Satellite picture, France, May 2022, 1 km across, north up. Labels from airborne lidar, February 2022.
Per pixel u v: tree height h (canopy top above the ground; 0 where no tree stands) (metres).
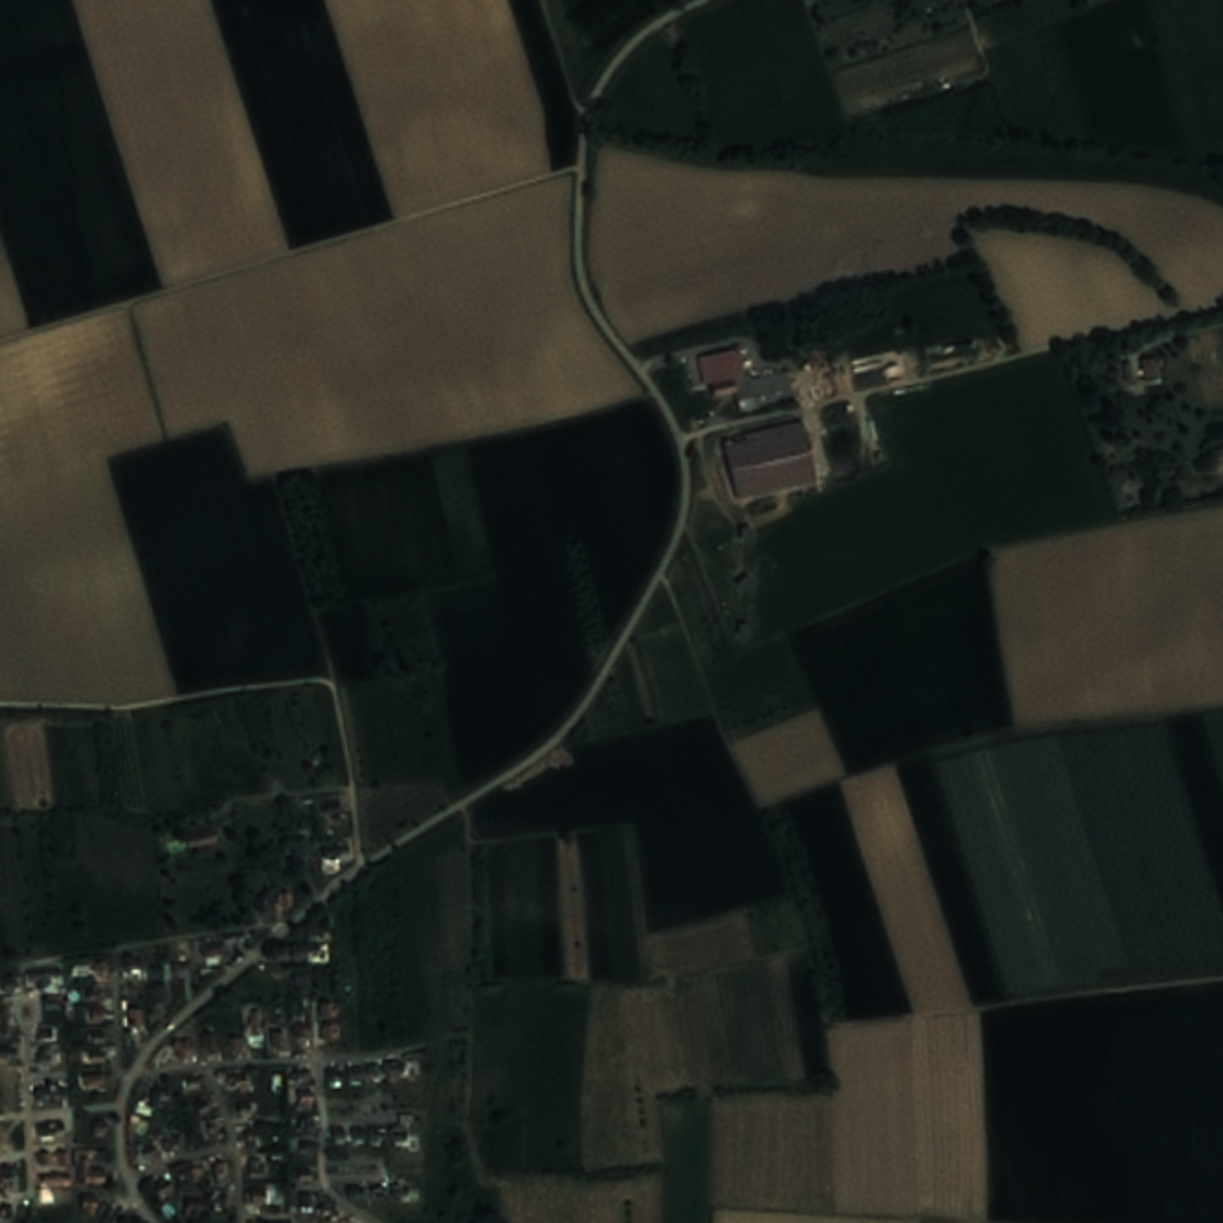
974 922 0
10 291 0
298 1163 0
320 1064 0
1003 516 0
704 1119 0
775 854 0
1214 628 0
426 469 0
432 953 0
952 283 0
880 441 0
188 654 0
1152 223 0
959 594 0
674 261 0
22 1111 0
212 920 10
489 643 0
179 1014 0
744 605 0
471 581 0
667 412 0
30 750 0
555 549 0
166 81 0
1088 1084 0
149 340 0
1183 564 0
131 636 0
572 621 0
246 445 0
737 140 0
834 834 0
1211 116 0
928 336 0
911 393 0
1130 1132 0
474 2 0
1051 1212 0
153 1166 0
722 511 0
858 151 0
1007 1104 0
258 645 0
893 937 0
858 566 0
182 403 0
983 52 0
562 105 0
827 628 0
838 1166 0
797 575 0
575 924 0
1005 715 0
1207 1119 0
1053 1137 0
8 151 0
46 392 0
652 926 0
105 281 0
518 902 0
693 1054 0
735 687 0
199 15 0
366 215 0
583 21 0
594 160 0
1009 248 0
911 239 0
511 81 0
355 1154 0
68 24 0
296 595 0
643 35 0
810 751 0
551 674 0
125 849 0
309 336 0
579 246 0
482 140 0
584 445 0
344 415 0
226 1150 0
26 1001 0
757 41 0
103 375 0
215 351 0
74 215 0
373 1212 0
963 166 0
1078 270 0
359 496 0
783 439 0
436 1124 0
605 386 0
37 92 0
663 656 0
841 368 0
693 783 0
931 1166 0
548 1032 0
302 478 12
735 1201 0
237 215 0
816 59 0
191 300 0
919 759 0
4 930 0
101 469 0
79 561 0
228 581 0
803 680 0
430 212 0
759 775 0
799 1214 0
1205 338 0
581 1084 0
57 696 0
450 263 0
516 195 0
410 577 0
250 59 0
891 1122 0
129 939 0
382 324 0
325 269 0
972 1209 0
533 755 0
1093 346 10
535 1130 0
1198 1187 0
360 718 0
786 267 0
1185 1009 0
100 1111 0
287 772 0
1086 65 0
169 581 0
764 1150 0
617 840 0
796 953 0
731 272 0
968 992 0
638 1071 0
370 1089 0
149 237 0
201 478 0
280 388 0
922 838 0
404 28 0
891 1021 0
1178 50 0
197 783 0
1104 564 0
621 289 0
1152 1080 0
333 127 0
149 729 0
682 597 0
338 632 0
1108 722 0
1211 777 0
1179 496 8
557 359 0
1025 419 0
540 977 0
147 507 0
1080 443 0
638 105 0
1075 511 0
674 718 0
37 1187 0
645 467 0
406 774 0
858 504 0
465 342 0
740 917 0
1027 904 0
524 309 0
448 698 0
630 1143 0
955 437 0
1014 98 0
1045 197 0
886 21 0
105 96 0
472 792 0
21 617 0
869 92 0
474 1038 0
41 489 0
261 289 0
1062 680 0
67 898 0
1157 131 0
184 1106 6
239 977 0
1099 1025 0
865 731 0
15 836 9
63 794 0
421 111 0
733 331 0
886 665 0
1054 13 0
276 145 0
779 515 0
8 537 0
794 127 0
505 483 0
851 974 0
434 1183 0
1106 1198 0
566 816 0
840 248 0
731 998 0
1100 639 0
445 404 0
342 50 0
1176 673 0
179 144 0
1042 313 0
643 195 0
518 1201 0
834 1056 0
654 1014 0
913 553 0
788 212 0
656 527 0
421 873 0
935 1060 0
